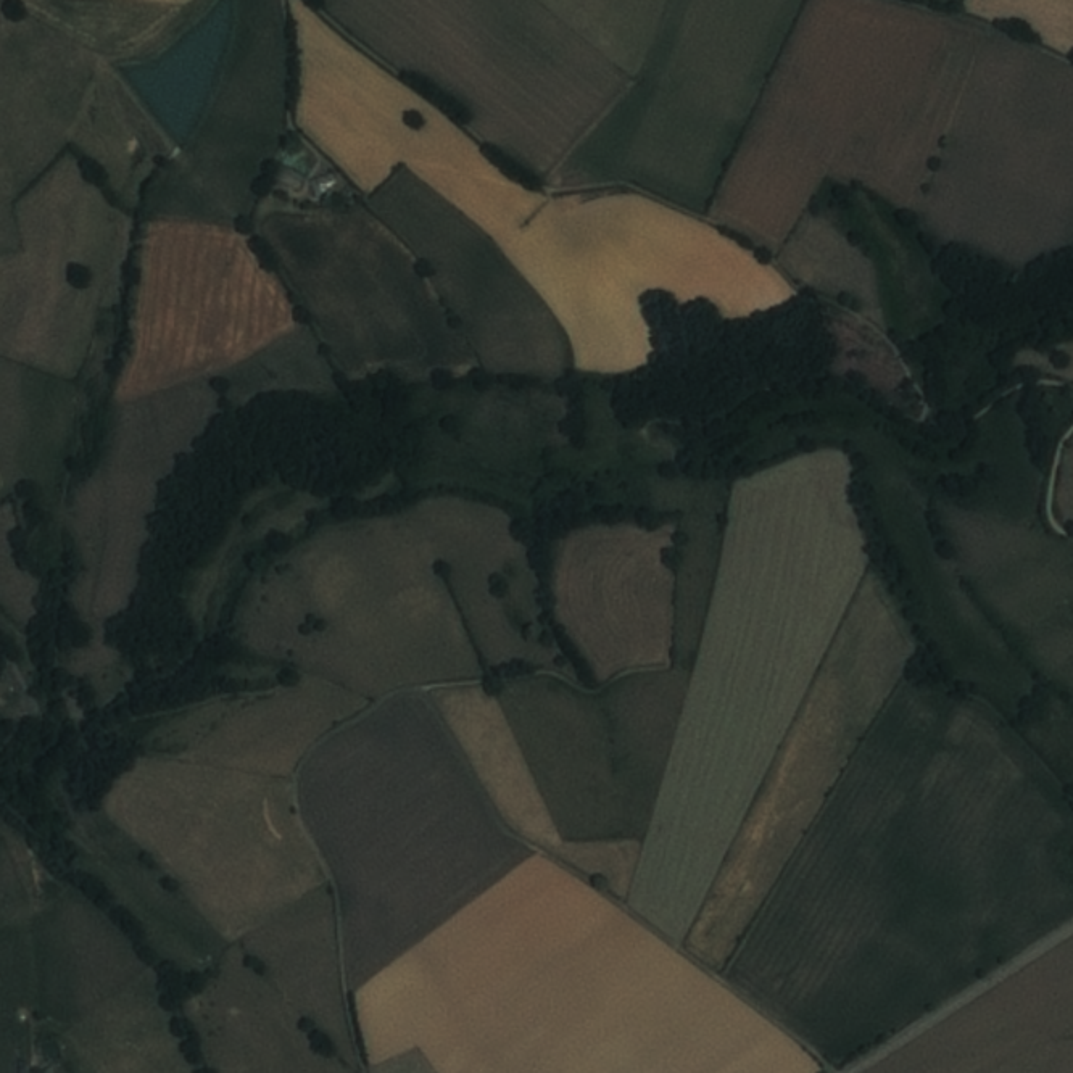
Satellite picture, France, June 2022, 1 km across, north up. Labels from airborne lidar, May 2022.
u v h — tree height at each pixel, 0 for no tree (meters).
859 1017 0
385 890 0
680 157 0
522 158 0
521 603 0
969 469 0
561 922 0
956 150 0
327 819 0
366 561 0
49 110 0
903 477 0
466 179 0
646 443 0
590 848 0
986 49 0
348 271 0
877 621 0
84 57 0
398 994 0
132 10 0
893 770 0
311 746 0
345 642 0
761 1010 0
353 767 0
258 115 0
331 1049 13
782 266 0
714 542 0
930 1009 9
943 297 0
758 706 0
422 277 12
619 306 0
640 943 0
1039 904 0
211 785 0
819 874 0
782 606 0
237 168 0
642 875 0
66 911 0
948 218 0
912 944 0
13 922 0
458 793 0
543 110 0
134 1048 0
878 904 0
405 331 0
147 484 0
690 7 0
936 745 0
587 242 0
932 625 0
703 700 0
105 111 0
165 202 0
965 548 0
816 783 0
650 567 0
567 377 11
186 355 0
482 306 0
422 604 0
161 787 0
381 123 0
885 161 0
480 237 0
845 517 0
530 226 0
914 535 0
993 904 0
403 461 13
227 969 0
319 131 0
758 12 0
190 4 0
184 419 0
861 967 0
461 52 0
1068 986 0
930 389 16
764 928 0
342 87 0
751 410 11
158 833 0
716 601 0
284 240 0
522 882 0
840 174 0
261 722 0
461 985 0
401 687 0
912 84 0
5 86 0
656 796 0
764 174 0
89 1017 0
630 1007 0
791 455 5
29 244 0
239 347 0
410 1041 0
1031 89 0
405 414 7
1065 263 20
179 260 0
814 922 0
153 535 17
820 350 22
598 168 0
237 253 0
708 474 21
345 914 0
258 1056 0
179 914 0
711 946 0
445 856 0
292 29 11
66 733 15
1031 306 16
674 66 0
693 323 24
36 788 21
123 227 0
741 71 0
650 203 0
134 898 0
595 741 0
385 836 0
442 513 0
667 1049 0
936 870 0
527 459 0
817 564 0
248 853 0
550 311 0
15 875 0
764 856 0
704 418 19
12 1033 0
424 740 0
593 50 0
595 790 0
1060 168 0
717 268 0
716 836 0
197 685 13
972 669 0
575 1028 0
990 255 0
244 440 21
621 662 0
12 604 0
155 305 0
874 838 0
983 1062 0
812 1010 0
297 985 0
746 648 0
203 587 0
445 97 13
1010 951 0
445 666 0
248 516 9
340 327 0
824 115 0
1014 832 0
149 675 23
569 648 17
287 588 0
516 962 0
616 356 0
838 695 0
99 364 0
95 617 0
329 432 22
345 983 0
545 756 0
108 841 0
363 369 0
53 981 0
